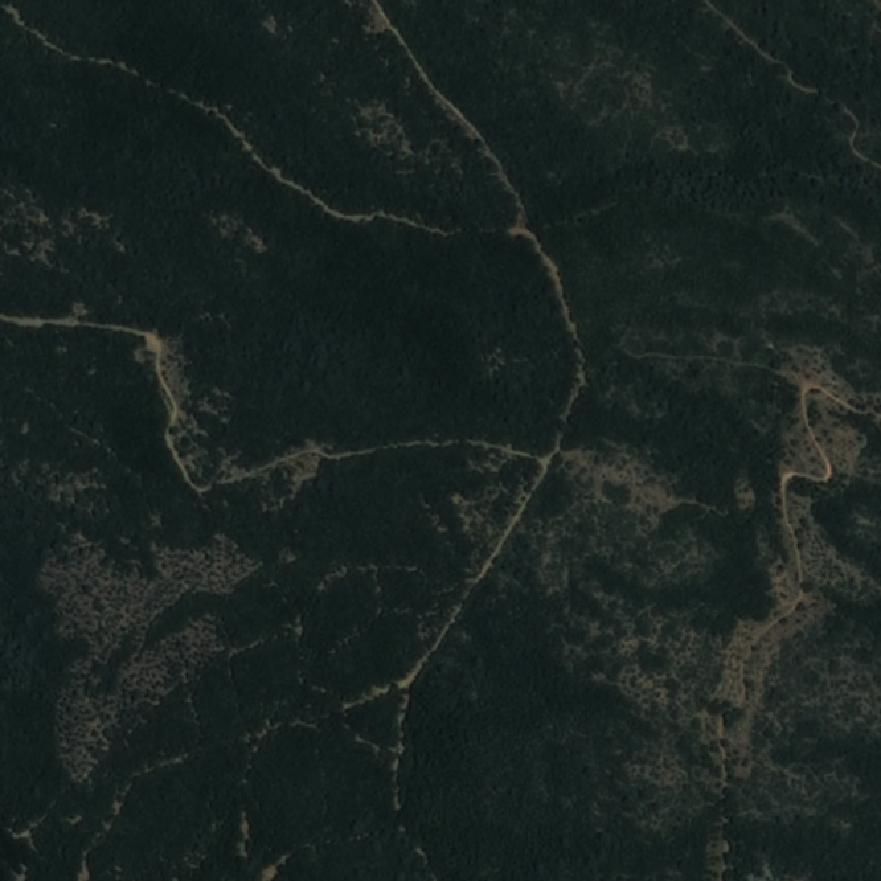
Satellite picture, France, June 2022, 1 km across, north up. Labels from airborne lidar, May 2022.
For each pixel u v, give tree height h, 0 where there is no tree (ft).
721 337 0
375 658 33
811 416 22
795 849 20
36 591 26
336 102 22
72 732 27
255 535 30
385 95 18
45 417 24
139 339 30
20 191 18
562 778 22
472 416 30
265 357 31
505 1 18
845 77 19
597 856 24
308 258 31
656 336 0
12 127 34
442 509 21
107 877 26
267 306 30
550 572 0
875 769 21
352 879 26
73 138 27
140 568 22
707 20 18
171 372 0
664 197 44
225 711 32
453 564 27
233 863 36
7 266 19
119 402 26
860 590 0
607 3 19
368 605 31
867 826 24
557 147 24
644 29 18
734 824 31
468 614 23
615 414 21
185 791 27
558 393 44
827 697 0
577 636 22
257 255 24
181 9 32
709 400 37
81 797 27
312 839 30
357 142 25
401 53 18
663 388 24
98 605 18
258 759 33
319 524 25
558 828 23
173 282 23
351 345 30
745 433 24
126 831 26
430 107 22
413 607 24
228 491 21
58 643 26
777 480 30
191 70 49
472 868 31
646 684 0
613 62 0
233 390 20
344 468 23
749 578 26
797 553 0
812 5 19
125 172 30
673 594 19
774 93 19
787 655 0
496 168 37
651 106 0
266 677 29
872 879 25
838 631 21
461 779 26
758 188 35
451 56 19
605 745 20
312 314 31
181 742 25
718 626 18
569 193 31
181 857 21
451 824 30
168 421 20
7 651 51
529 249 38
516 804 21
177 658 22
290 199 24
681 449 23
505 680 21
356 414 28
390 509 21
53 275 25
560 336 21
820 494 22
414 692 53
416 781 49
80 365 25
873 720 0
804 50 20
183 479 21
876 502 18
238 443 24
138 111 37
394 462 22
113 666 23
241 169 26
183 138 34
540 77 17
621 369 37
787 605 0
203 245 22
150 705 23
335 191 24
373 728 36
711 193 41
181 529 21
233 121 34
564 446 18
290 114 30
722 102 23
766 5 29
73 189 28
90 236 21
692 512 19
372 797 32
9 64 27
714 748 21
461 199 39
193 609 20
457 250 33
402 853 33
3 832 40
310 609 30
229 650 28
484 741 25
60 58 34
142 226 26
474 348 24
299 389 31
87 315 19
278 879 39
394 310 46
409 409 33
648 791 26
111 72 31
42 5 28
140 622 19
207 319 23
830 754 19
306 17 23
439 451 22
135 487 31
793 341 0
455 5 17
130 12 35
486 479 24
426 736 54
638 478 0
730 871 32
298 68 29
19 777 29
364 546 31
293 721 36
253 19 29
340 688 35
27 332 27
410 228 35
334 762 24
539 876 30
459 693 34
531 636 19
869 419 24
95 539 18
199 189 30
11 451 22
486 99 25
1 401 23
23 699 35
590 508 0
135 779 28
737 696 0
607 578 19
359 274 32
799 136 30
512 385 28
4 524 49
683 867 45
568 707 21
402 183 30
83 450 24
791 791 0
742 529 23
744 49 22
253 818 36
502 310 29
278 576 26
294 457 0
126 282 28
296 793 24
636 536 0
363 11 20
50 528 19
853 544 33
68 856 31
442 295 25
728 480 26
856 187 42
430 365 38
